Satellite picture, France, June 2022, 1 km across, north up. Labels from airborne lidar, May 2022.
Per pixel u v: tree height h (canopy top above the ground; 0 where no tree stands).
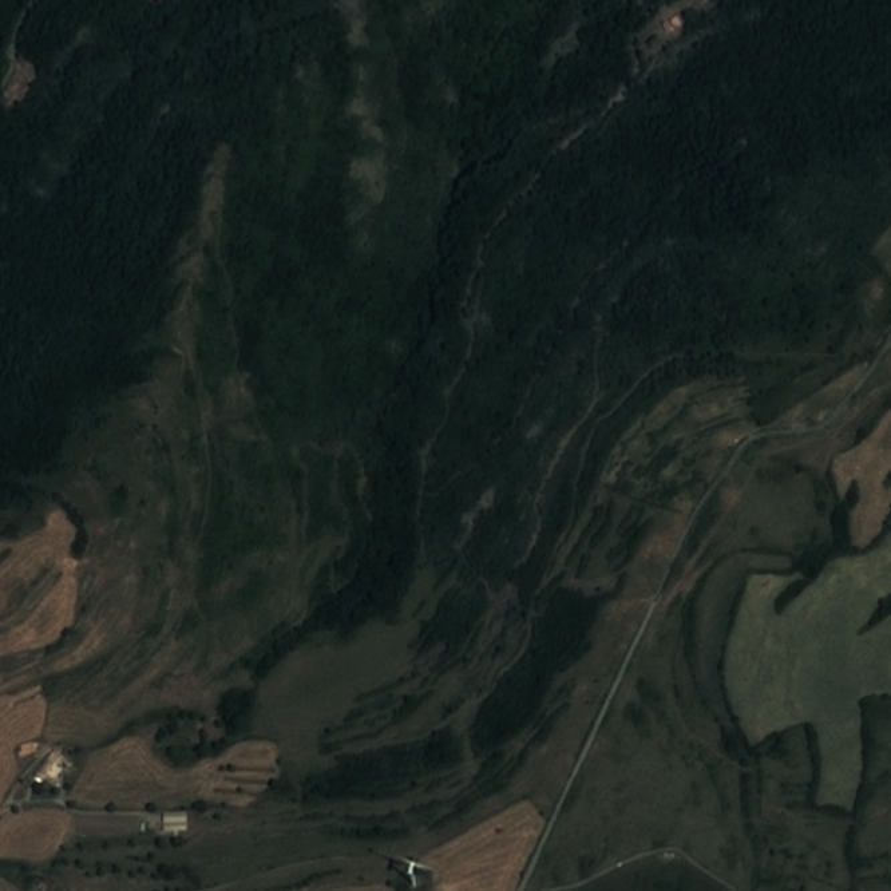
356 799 0
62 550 0
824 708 0
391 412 7
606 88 10
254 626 0
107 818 0
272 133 7
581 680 0
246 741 0
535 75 8
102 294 7
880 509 0
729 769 0
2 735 0
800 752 0
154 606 0
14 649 0
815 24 9
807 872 0
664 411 0
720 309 7
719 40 11
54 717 0
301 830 0
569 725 0
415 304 16
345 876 0
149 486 0
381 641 0
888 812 0
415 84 13
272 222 6
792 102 11
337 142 7
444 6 6
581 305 7
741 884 0
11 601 0
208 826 0
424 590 0
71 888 0
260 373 7
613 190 8
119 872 11
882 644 0
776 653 0
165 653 0
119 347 12
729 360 10
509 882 0
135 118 9
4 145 12
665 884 0
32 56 8
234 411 0
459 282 7
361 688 0
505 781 0
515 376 9
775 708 0
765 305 9
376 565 12
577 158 7
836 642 0
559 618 5
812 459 0
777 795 0
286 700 0
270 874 0
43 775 0
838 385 0
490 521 6
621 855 0
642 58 14
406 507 7
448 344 6
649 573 0
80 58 11
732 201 12
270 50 7
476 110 16
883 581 0
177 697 0
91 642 0
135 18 7
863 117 11
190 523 0
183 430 0
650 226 14
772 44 11
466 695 0
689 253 8
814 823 0
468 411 7
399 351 12
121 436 0
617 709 0
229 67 10
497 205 10
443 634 7
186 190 10
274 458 0
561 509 6
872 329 0
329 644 0
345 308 10
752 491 0
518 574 10
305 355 6
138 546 0
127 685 0
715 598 0
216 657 0
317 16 10
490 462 7
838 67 6
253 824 0
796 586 6
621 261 6
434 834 0
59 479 0
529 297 7
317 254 11
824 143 11
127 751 0
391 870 0
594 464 6
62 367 6
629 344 6
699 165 9
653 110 12
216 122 6
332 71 10
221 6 11
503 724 7
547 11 20
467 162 9
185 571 0
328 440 6
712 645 0
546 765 0
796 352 0
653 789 0
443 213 14
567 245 7
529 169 7
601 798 0
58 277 11
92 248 12
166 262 8
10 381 13
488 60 12
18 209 9
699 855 0
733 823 0
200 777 0
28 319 8
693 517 0
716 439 0
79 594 0
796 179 7
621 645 0
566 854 0
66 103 7
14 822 0
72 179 12
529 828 0
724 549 0
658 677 0
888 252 0
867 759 5
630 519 0
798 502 0
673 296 10
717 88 11
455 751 6
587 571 0
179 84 9
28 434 13
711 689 0
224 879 0
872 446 0
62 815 0
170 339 0
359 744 0
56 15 10
